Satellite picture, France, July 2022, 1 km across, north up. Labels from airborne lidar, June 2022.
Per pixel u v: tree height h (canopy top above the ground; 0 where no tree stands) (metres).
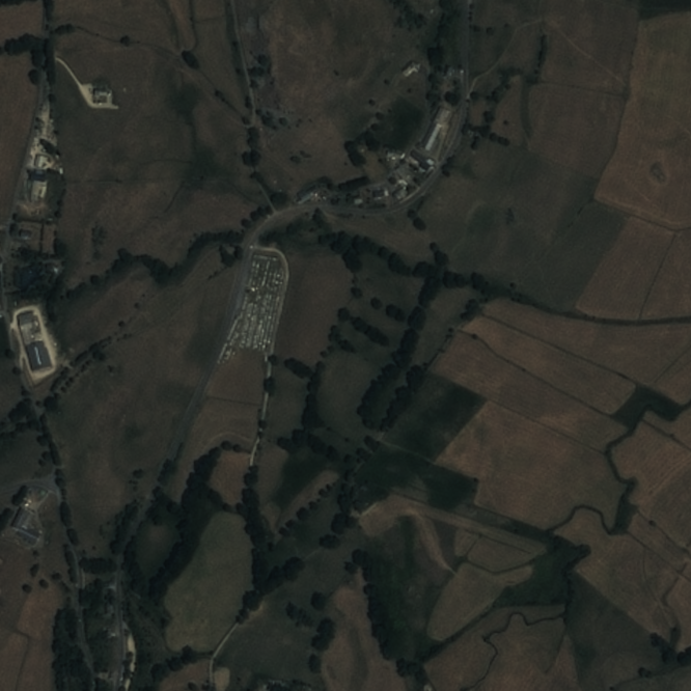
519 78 0
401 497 0
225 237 8
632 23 0
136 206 0
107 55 0
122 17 0
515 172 0
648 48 0
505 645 0
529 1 0
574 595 10
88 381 0
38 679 0
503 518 0
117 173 0
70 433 0
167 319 0
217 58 0
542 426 0
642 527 0
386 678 0
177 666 19
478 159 0
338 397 0
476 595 0
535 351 0
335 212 0
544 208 0
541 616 0
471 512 0
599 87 0
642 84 0
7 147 0
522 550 0
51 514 0
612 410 0
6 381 0
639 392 0
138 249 0
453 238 0
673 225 0
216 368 0
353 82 0
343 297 0
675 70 0
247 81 0
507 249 0
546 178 0
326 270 0
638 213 0
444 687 0
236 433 0
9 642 0
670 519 0
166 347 0
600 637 0
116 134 0
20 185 0
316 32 0
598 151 0
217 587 0
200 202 0
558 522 0
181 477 0
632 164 0
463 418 0
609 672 0
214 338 0
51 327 0
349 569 14
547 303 0
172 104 0
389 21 0
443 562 0
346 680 0
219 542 0
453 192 0
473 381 0
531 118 0
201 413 0
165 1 0
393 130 0
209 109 0
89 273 0
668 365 0
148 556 0
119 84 0
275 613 0
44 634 0
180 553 26
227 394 0
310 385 12
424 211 0
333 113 0
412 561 0
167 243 0
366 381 0
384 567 0
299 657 0
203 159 0
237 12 0
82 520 0
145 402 0
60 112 0
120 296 0
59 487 12
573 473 0
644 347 0
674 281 0
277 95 0
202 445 0
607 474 0
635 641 0
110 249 0
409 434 0
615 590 0
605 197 0
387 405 0
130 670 9
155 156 0
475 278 16
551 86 0
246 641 0
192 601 0
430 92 7
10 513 13
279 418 0
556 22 0
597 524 0
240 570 0
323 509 0
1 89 0
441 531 0
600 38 0
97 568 23
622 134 0
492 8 0
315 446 20
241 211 0
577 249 0
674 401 0
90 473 0
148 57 0
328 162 0
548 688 0
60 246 10
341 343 13
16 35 0
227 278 0
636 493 0
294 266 0
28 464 0
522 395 0
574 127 0
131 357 0
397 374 21
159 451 0
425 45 0
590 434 0
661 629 0
